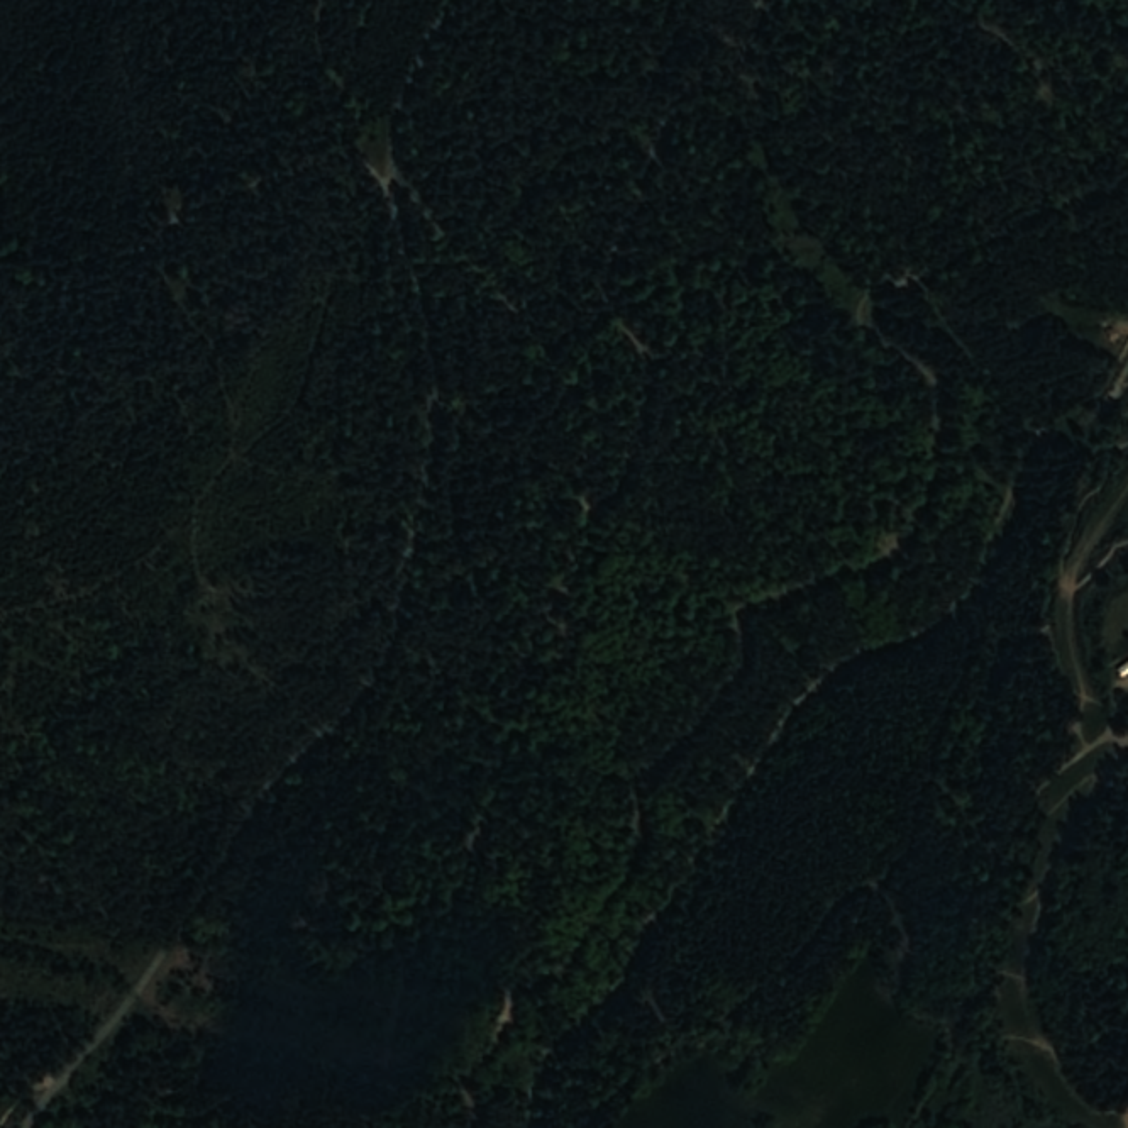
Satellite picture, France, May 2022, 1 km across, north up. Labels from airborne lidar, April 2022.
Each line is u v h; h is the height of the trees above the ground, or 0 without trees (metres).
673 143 17
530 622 29
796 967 22
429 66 29
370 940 23
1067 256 24
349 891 24
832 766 22
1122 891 20
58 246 19
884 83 26
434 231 19
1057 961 18
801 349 32
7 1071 29
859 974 0
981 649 24
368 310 11
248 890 26
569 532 28
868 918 21
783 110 26
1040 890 0
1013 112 28
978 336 32
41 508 7
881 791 16
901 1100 0
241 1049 12
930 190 26
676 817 23
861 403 26
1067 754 24
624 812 28
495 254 29
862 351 26
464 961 24
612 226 29
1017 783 23
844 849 19
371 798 27
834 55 24
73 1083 9
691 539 27
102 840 19
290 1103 25
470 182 22
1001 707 25
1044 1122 13
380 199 26
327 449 8
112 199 19
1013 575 26
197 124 16
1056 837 0
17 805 18
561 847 26
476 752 28
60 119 23
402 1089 20
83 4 22
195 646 7
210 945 15
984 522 26
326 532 9
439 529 28
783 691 31
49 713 9
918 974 19
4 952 9
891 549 0
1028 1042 0
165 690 20
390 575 29
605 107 28
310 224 23
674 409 17
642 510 25
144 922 26
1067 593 0
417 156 28
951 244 30
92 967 10
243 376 8
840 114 33
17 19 26
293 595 22
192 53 15
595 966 25
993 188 25
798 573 26
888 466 27
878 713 24
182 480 10
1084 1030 15
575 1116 25
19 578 7
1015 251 28
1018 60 28
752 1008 21
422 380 24
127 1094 27
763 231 28
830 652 26
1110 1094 22
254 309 27
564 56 21
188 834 20
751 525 23
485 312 27
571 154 10
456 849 18
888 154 31
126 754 24
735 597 32
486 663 30
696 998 23
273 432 7
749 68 27
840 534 27
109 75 20
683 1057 8
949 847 27
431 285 27
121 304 11
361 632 31
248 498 6
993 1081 12
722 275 29
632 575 28
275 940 15
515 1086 20
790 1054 16
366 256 10
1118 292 31
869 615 23
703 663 23
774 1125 13
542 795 23
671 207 29
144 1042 12
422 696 26
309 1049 7
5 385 23
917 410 27
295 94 14
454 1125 21
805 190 27
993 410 28
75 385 31
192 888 37
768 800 18
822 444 27
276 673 26
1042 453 33
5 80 24
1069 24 43
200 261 23
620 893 24
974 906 23
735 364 27
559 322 29
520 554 27
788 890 20
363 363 28
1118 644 0
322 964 19
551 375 27
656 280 26
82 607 7
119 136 15
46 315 16
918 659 23
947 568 30
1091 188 10
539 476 26
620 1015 26
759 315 27
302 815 26
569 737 25
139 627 17
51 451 9
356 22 13
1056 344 25
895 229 28
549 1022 29
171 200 0
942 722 20
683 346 25
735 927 23
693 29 23
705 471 29
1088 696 0
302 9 14
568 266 35
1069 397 28
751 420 27
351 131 9
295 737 28
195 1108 18
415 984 25
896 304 32
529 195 27
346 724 34
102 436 14
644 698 27
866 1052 0
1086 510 0
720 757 26
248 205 13
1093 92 26
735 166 28
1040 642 28
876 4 31
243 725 23
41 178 24
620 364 26
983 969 18
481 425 36
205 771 25
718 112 27
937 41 24
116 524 7
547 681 30
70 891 25
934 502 27
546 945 22
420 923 30
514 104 12
